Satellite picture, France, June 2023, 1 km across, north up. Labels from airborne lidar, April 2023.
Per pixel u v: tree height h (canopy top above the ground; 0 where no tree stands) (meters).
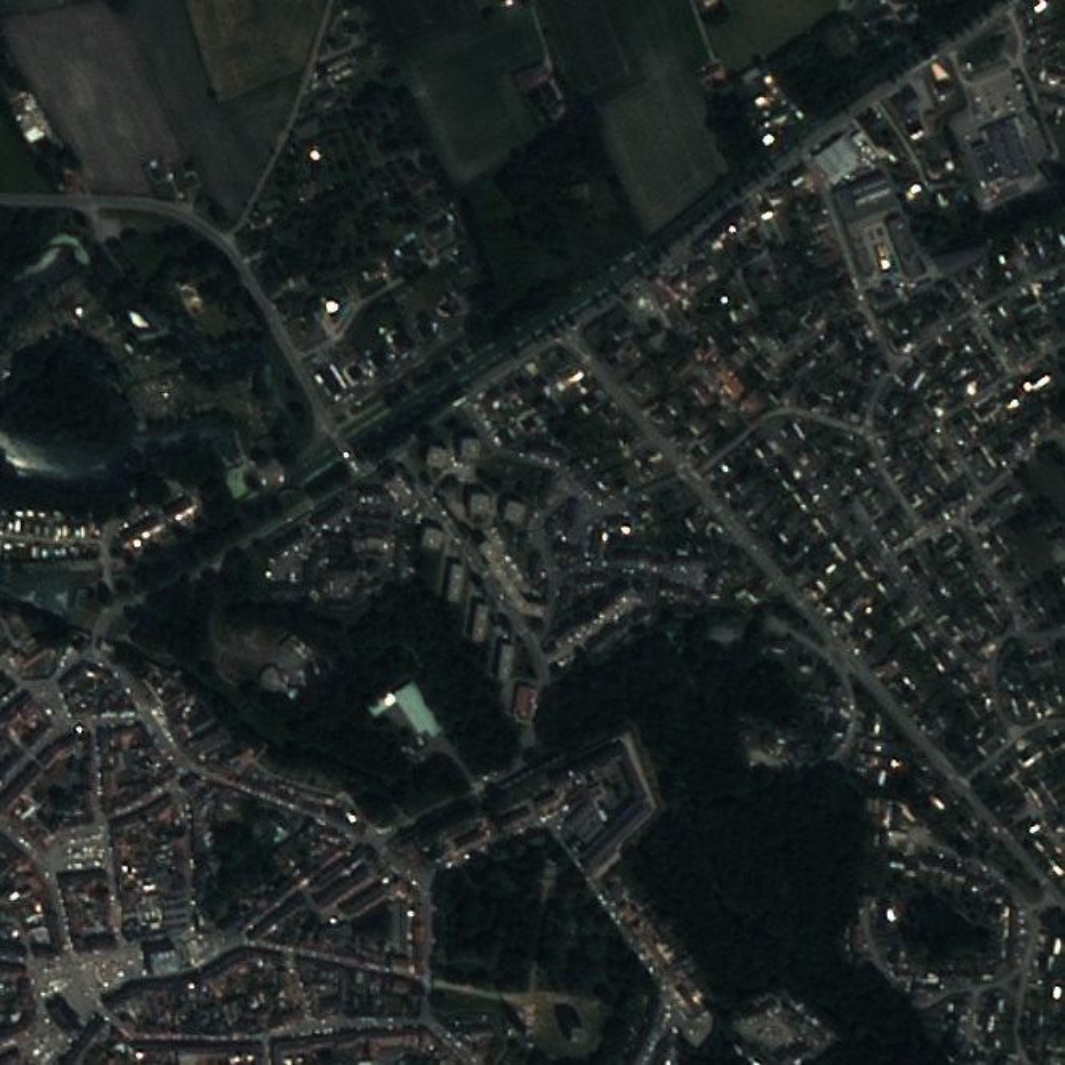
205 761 0
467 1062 0
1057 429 0
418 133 16
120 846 0
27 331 0
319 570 0
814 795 22
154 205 0
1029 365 0
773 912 27
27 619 12
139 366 0
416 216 8
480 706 12
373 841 0
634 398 0
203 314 0
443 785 17
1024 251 0
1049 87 0
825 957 18
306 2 0
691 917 25
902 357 0
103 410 13
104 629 0
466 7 0
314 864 0
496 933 18
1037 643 0
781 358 0
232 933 0
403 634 8
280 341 0
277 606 16
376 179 6
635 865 17
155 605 18
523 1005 0
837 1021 14
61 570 0
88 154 0
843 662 0
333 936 0
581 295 0
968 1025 0
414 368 0
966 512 0
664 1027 0
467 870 13
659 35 0
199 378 13
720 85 13
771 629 0
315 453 0
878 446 0
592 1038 0
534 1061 11
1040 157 0
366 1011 0
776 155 0
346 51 0
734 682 19
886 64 12
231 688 0
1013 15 0
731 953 26
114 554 8
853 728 0
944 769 0
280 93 0
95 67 0
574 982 15
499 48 0
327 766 13
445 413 0
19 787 0
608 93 0
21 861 0
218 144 0
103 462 0
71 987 0
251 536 0
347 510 0
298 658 0
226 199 0
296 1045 0
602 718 23
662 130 0
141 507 12
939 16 10
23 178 0
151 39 0
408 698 0
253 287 0
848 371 0
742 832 27
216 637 0
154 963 0
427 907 0
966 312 0
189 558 20
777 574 0
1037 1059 12
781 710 18
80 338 11
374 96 18
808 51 9
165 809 0
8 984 6
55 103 0
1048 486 0
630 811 0
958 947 11
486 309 14
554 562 0
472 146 0
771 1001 0
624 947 19
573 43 0
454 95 0
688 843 29
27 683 0
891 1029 22
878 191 0
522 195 27
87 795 0
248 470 0
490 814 9
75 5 0
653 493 0
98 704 0
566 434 10
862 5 0
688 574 0
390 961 0
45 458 0
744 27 0
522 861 20
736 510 11
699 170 0
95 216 0
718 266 0
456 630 0
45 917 0
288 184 10
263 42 0
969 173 0
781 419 0
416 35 0
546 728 24
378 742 18
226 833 16
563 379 0
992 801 10
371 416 0
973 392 0
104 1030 0
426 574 0
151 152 0
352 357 0
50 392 19
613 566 0
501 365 0
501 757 25
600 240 0
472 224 13
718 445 6
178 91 0
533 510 0
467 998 0
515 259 0
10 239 14
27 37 0
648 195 0
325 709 22
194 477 12
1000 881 0
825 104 12
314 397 0
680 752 24
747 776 17
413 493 0
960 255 0
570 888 19
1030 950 0
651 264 9
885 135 7
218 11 0
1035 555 0
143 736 0
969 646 7
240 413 0
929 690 0
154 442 0
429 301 0
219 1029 0
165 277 11
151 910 0
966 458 0
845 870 22
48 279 0
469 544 0
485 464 0
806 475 0
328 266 9
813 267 6
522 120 0
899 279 0
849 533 0
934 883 0
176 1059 0
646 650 14
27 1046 0
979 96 0
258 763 0
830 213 0
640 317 0
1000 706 0
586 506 0
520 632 0
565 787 0
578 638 0
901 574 0
